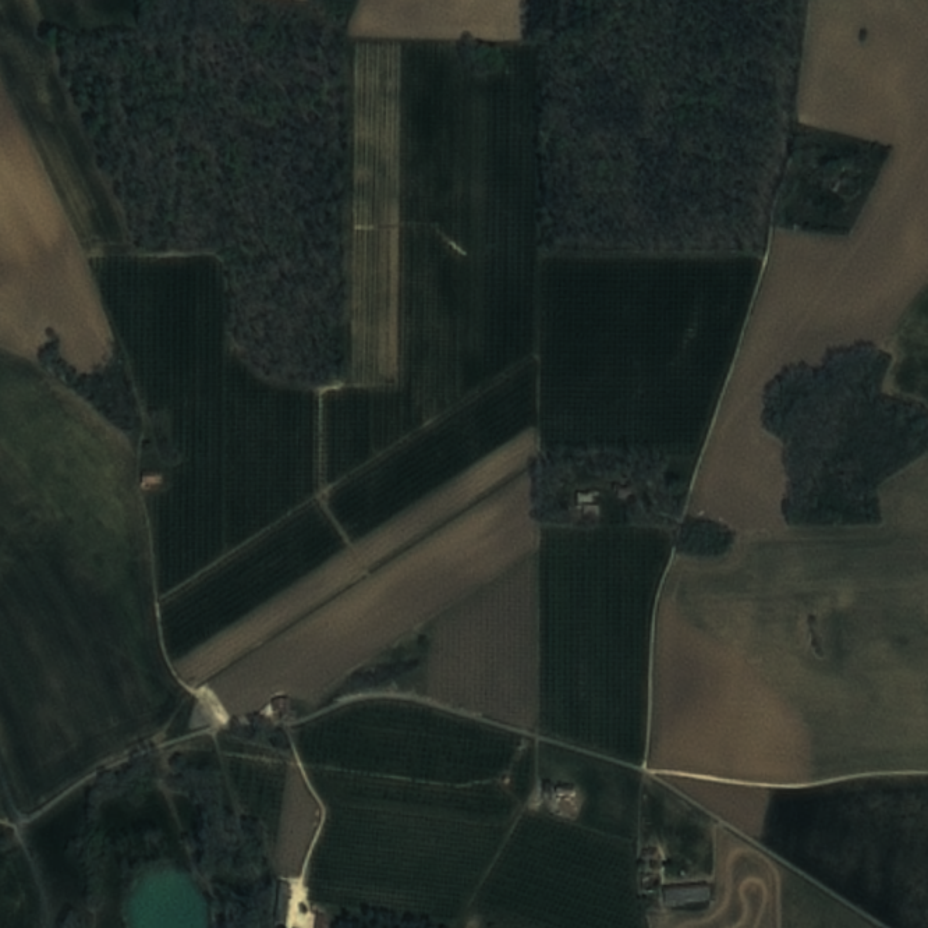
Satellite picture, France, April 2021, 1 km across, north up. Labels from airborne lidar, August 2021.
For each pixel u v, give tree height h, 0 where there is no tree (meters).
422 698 0
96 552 0
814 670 0
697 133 22
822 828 0
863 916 0
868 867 0
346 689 0
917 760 0
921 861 0
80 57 21
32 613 0
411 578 0
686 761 0
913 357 0
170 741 0
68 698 0
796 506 16
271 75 22
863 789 0
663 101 22
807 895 0
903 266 0
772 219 18
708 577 0
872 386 13
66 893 0
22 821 0
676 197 23
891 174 0
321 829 0
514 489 0
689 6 22
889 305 0
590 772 0
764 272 0
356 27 0
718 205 21
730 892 0
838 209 7
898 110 0
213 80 21
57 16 0
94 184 0
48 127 0
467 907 0
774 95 19
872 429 7
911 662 0
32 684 0
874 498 15
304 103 26
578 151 22
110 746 0
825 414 17
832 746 0
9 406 0
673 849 0
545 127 20
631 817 0
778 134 20
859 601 0
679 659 0
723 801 0
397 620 0
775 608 0
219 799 13
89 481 0
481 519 0
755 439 0
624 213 21
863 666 0
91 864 15
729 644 0
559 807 0
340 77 20
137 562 0
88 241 0
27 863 0
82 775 0
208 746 0
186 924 0
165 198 18
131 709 0
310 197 24
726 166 21
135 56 24
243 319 17
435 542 0
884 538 0
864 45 0
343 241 17
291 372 20
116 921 0
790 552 0
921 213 0
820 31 0
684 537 13
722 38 23
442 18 0
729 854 0
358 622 0
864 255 0
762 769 0
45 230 0
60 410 0
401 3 0
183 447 6
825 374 14
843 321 0
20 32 0
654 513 18
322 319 24
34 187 0
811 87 0
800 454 15
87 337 0
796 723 0
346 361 17
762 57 22
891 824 0
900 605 0
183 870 0
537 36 21
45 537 0
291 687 0
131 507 0
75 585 0
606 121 20
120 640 0
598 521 12
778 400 12
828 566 0
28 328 0
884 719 0
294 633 0
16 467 0
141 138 13
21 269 0
